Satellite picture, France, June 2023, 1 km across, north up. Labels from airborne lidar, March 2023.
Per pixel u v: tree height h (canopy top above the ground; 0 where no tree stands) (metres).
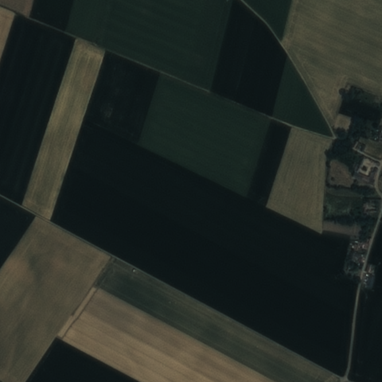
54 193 0
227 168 0
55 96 0
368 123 0
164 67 0
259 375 0
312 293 0
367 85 0
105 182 0
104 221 0
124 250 0
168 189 0
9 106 0
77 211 0
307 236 0
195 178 0
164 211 0
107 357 0
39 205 0
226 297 0
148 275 0
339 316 0
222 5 0
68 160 0
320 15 0
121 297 0
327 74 0
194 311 0
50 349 0
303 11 0
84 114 0
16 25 0
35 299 0
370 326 0
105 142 0
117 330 0
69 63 0
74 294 0
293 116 0
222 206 0
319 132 0
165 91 0
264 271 0
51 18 0
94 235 0
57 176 0
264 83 0
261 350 0
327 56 0
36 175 0
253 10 0
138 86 0
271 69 0
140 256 0
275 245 0
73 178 0
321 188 0
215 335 0
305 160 0
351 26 0
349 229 0
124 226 0
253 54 0
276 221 0
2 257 0
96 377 0
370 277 0
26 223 0
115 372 0
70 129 0
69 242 0
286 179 0
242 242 0
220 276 0
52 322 0
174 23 0
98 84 0
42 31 0
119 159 0
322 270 0
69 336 0
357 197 0
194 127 0
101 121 0
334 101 0
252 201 0
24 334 0
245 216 0
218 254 0
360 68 0
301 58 0
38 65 0
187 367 0
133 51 0
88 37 0
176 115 0
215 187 0
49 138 0
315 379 0
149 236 0
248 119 0
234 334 0
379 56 0
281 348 0
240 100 0
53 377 0
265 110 0
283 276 0
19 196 0
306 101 0
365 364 0
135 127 0
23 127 0
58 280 0
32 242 0
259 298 0
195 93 0
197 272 0
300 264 0
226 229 0
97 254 0
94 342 0
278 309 0
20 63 0
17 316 0
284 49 0
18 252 0
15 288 0
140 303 0
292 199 0
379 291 0
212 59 0
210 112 0
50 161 0
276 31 0
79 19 0
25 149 0
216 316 0
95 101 0
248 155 0
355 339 0
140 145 0
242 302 0
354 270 14
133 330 0
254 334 0
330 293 0
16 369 0
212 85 0
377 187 0
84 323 0
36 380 0
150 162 0
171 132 0
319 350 0
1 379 0
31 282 0
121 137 0
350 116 0
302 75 0
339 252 0
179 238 0
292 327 0
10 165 0
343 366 0
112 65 0
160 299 0
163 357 0
